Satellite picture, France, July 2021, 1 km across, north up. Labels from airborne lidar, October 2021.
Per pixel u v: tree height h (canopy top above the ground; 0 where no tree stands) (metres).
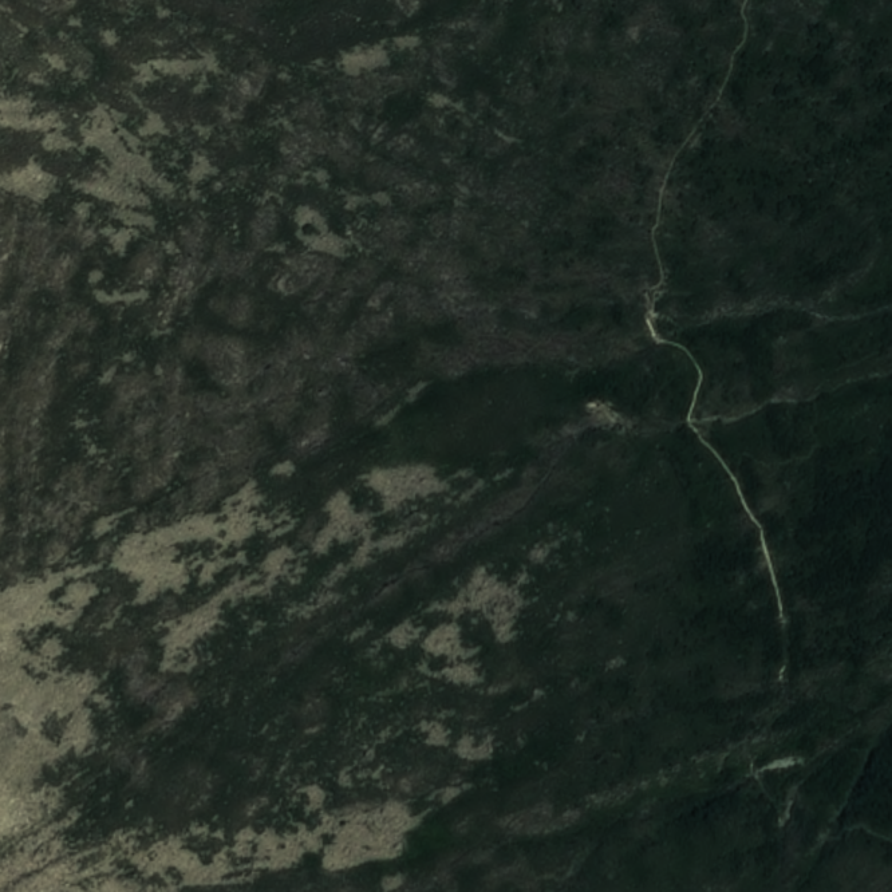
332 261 0
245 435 0
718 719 7
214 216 0
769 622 6
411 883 0
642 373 0
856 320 0
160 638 0
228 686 0
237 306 0
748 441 0
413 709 0
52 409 0
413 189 0
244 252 0
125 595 0
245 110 0
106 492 0
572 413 0
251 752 0
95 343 0
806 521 8
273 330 0
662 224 0
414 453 0
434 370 0
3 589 0
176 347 0
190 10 0
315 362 0
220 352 0
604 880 0
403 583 0
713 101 0
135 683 0
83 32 0
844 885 0
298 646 0
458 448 0
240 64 0
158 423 0
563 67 0
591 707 0
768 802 11
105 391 0
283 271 0
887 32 0
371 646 0
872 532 8
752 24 0
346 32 0
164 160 0
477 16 0
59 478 0
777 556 0
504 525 0
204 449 0
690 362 0
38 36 0
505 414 0
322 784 0
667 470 0
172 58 0
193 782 0
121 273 0
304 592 0
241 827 0
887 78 12
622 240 0
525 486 0
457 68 0
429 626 0
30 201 0
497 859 0
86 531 0
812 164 8
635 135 0
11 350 0
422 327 0
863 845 0
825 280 7
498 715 0
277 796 0
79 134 0
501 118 0
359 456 0
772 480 0
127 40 0
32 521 0
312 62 0
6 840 0
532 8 0
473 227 0
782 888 0
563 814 0
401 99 0
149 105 0
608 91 0
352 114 0
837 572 8
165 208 0
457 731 0
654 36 0
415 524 0
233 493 0
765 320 6
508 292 0
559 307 0
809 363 0
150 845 0
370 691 0
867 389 8
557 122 0
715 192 7
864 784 6
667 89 6
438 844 0
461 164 0
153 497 0
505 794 0
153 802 0
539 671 0
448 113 0
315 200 0
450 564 0
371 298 0
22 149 0
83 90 0
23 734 0
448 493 0
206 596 0
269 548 0
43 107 0
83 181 0
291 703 0
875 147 6
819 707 10
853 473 6
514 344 0
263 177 0
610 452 0
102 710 0
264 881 0
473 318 0
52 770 0
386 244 0
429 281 0
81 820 0
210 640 0
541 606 0
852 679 6
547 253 7
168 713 0
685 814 7
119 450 0
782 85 9
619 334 0
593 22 0
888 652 6
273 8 0
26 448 0
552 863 0
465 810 0
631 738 0
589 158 7
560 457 0
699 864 0
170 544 0
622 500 0
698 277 0
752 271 0
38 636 0
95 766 0
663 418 0
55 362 0
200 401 0
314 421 0
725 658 0
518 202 0
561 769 0
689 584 0
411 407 0
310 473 0
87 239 0
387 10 0
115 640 0
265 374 0
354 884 0
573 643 0
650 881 0
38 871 0
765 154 5
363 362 0
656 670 0
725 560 11
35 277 0
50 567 0
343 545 0
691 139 0
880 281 0
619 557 0
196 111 0
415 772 0
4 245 0
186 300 0
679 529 0
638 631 0
